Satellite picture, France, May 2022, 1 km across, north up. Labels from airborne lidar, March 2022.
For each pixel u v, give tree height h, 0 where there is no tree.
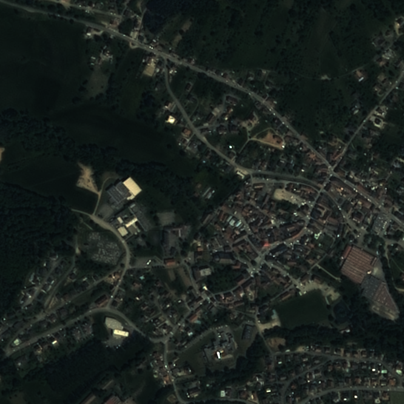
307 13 11
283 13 0
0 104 0
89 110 0
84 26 0
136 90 0
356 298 15
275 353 0
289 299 0
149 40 7
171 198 16
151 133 0
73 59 0
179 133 0
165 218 0
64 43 0
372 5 16
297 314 0
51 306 0
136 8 0
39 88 0
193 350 0
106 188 0
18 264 17
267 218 10
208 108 0
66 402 0
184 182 19
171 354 0
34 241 15
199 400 0
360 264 0
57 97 0
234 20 17
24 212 26
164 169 20
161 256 0
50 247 22
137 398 0
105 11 0
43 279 0
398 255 5
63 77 0
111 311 0
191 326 7
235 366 0
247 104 0
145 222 0
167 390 16
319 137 0
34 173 0
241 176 0
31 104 0
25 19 0
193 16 12
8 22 0
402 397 0
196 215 0
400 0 18
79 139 0
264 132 0
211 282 24
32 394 0
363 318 22
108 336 0
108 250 0
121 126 0
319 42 0
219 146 0
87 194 0
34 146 20
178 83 0
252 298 0
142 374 13
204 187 0
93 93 0
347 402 0
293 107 0
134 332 0
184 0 23
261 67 0
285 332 17
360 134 0
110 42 8
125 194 0
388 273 13
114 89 20
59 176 0
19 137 22
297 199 0
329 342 0
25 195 18
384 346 17
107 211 0
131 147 0
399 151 9
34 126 27
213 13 20
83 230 0
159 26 22
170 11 25
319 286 0
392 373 0
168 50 0
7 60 0
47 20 0
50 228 32
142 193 0
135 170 23
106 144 0
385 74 0
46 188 0
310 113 0
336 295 0
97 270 7
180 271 0
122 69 0
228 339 0
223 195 0
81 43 0
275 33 0
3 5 0
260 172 0
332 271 0
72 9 6
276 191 0
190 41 10
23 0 13
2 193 24
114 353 26
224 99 0
